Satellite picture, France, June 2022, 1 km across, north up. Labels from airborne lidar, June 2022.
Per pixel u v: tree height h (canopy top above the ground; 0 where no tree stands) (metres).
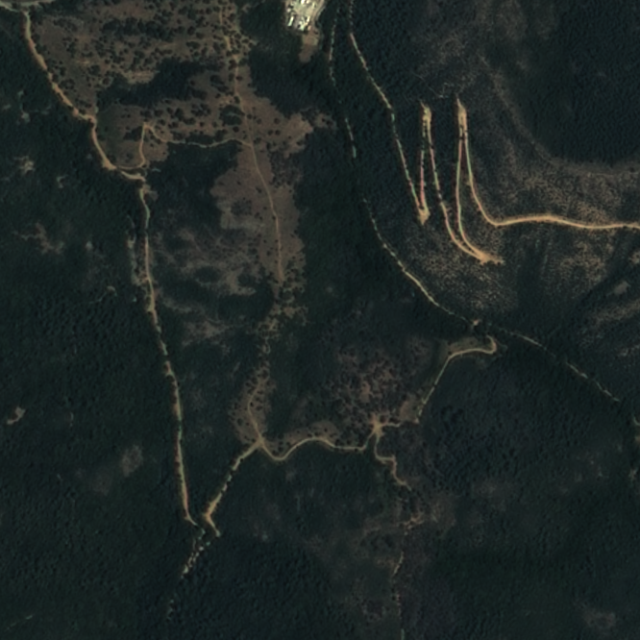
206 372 6
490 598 6
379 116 17
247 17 6
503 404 7
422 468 5
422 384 6
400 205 8
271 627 7
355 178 11
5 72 13
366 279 10
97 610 14
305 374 8
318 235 8
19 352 10
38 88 7
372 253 18
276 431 7
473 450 21
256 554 12
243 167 0
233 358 6
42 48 7
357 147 23
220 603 10
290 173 11
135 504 13
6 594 7
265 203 0
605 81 8
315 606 9
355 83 10
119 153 0
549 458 17
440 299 9
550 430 8
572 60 8
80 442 13
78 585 13
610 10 8
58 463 11
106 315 9
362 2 9
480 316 7
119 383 9
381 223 11
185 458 6
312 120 12
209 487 6
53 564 17
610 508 8
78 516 6
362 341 6
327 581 7
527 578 7
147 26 7
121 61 8
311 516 6
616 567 5
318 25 7
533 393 11
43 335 10
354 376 8
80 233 7
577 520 6
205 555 20
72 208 6
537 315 8
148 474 6
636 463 16
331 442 0
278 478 6
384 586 5
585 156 10
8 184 7
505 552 11
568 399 10
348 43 17
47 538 8
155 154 0
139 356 11
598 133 12
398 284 9
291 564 19
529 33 8
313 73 12
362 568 5
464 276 7
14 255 6
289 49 7
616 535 9
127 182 9
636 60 9
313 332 7
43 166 11
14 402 11
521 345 7
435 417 10
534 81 7
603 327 9
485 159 7
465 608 7
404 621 13
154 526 14
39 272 12
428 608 14
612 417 12
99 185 13
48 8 11
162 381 9
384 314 6
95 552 6
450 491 12
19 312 11
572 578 5
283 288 6
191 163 6
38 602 8
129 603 14
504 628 7
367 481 5
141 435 8
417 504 13
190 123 9
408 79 17
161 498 10
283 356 8
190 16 9
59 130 15
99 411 7
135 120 0
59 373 10
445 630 13
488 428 9
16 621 8
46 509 7
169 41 9
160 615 11
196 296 9
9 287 9
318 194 11
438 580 15
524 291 9
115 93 9
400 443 11
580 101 10
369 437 9
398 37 14
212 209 8
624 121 8
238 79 9
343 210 12
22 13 9
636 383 6
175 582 17
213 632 7
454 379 7
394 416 9
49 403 9
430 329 7
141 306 13
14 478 16
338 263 7
